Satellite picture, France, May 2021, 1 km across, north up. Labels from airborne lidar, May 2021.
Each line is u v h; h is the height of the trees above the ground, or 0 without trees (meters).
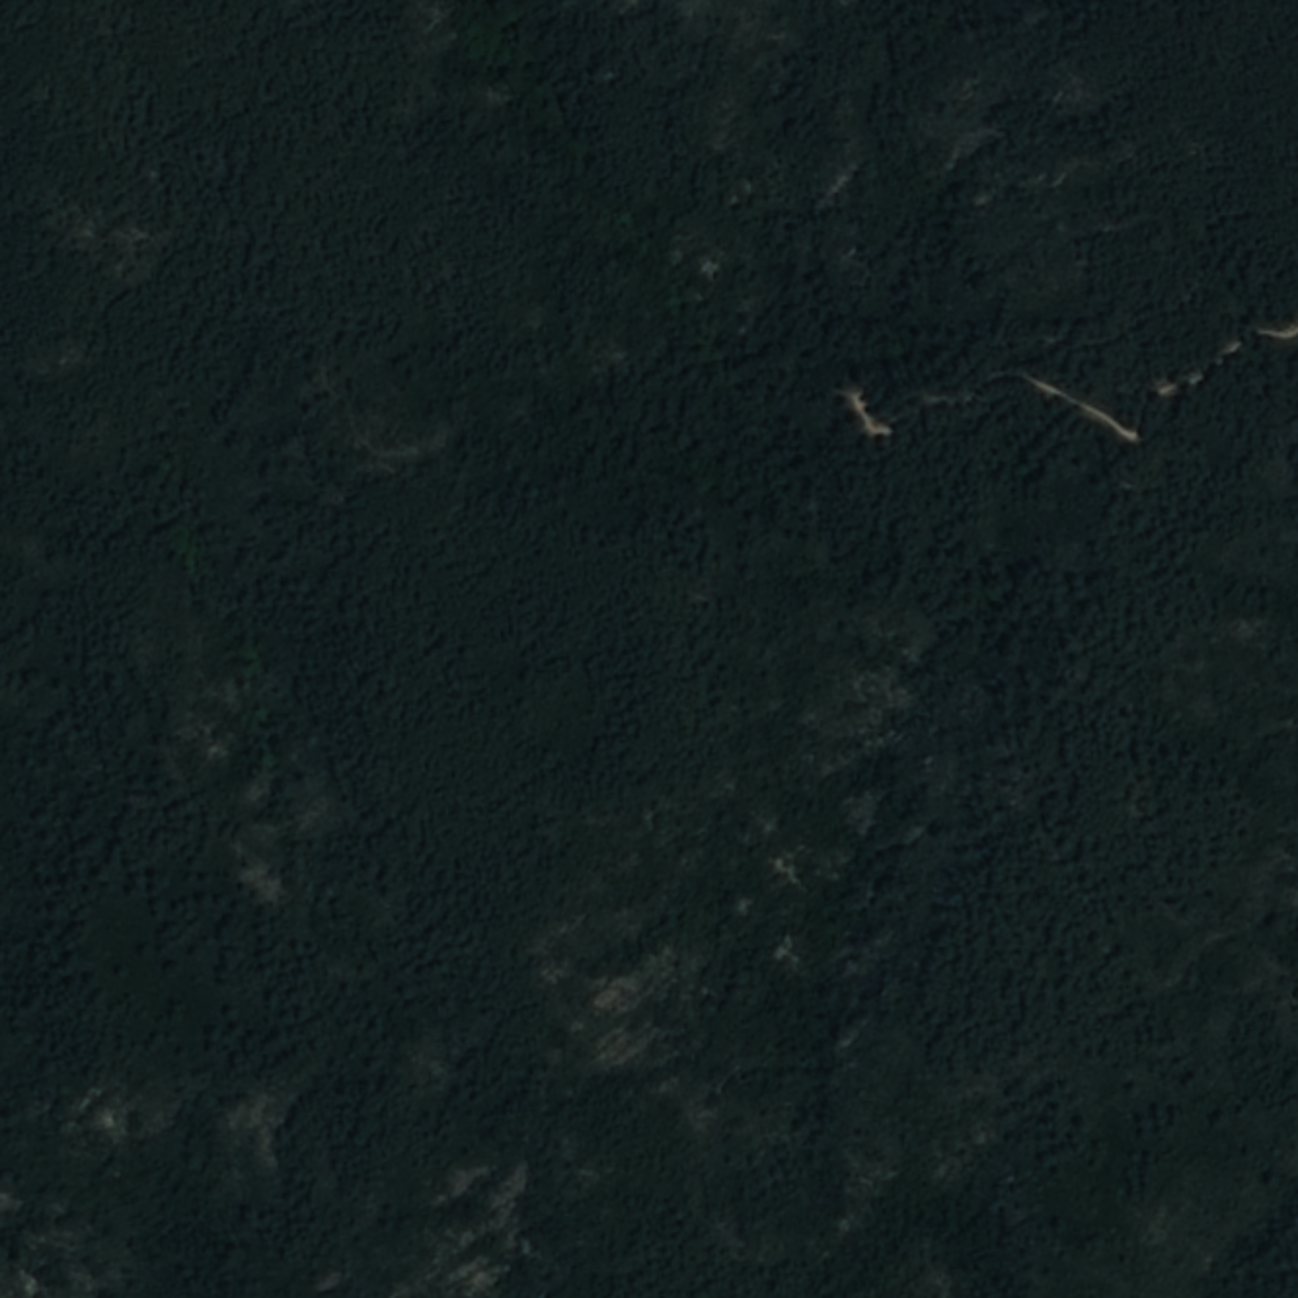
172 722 16
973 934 19
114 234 12
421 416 6
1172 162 18
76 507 22
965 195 22
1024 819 14
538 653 18
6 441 19
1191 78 19
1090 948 21
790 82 6
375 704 19
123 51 16
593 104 23
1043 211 8
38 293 15
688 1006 8
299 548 12
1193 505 20
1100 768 23
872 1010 7
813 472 23
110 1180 7
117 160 15
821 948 16
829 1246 12
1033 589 30
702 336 20
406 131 18
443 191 18
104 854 6
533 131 7
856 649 9
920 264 27
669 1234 18
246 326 14
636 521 7
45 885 20
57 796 16
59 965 6
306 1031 15
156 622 8
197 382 16
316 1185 13
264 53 18
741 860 14
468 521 16
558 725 6
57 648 5
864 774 14
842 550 22
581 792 16
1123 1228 7
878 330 26
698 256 10
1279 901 6
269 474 14
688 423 19
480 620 17
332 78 12
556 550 17
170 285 18
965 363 18
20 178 17
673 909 14
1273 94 19
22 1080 9
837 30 21
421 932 12
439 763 17
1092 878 23
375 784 18
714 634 18
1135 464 20
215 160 6
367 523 13
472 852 16
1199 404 21
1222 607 20
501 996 14
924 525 21
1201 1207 7
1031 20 33
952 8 28
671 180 17
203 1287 8
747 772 11
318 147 18
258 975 20
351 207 17
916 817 14
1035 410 18
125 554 16
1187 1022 6
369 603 18
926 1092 8
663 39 21
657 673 16
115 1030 14
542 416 13
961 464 18
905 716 11
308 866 9
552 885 13
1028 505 27
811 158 20
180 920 6
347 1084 17
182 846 18
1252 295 24
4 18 15
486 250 13
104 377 13
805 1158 7
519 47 20
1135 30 21
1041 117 19
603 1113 6
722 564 19
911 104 27
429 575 19
